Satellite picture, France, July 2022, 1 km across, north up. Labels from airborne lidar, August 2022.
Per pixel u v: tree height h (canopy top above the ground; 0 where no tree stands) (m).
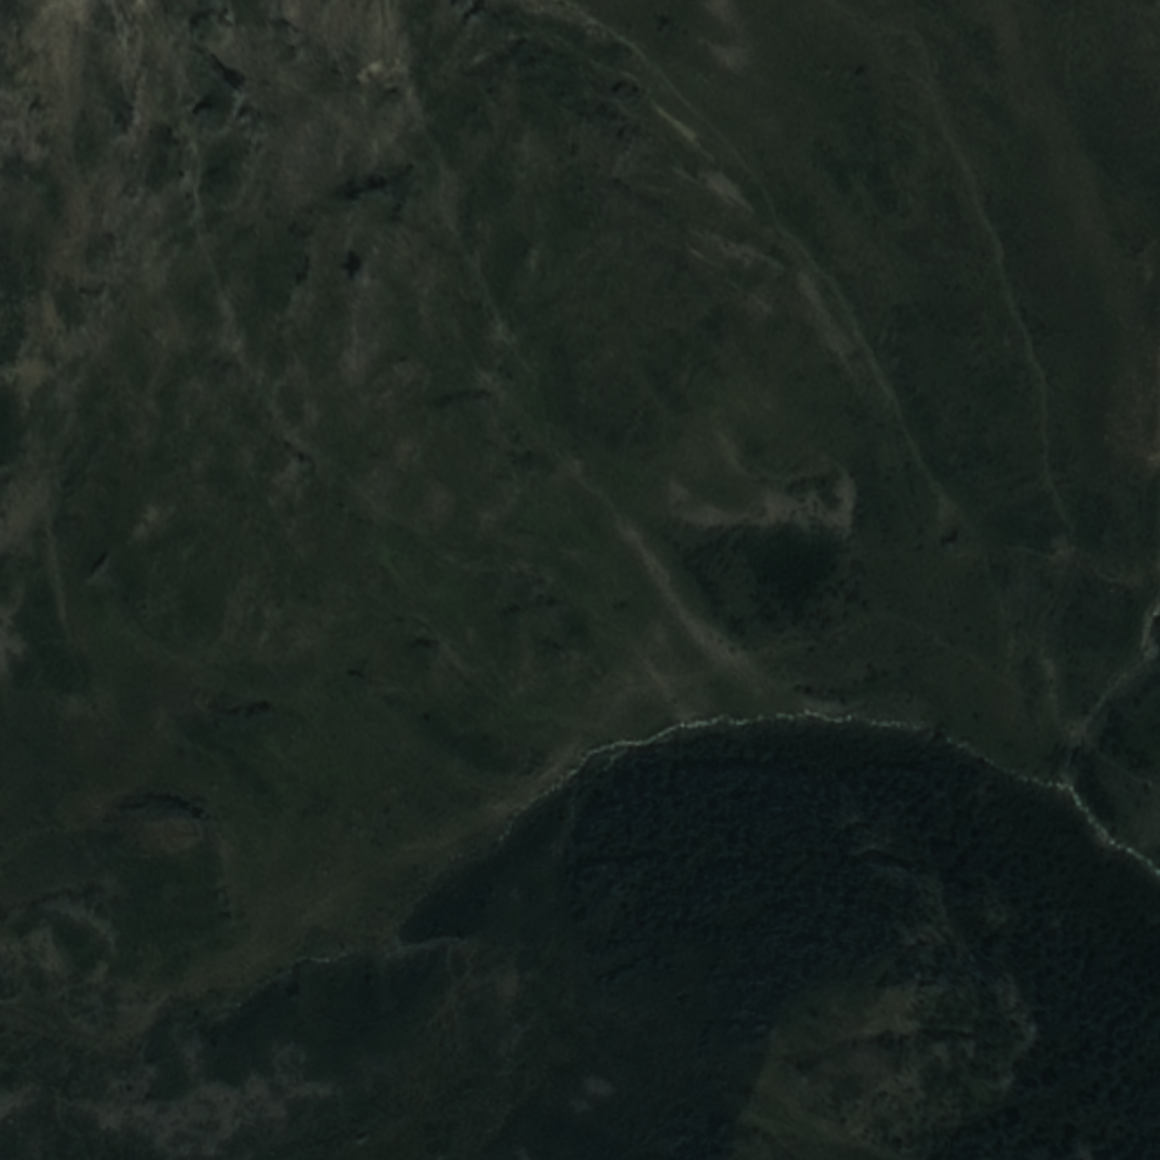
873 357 0
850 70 0
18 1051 0
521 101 0
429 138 0
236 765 0
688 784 7
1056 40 0
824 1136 0
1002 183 0
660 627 0
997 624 0
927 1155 7
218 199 0
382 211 0
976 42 0
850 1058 0
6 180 0
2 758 0
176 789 0
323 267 0
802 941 6
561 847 0
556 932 0
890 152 0
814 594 6
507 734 0
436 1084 0
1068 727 0
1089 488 0
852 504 0
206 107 7
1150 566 0
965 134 0
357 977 0
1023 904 9
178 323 0
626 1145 0
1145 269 0
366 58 0
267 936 0
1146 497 0
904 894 12
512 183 0
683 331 0
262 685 0
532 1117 0
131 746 0
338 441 0
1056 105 0
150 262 0
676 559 0
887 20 0
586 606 0
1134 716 0
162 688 0
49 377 0
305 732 0
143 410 0
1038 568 0
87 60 0
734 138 0
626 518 0
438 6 0
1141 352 0
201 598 0
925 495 0
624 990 0
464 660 0
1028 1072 13
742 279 0
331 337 0
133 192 0
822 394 0
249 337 0
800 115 0
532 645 0
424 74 0
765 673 0
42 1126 0
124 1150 0
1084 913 13
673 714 0
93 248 0
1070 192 0
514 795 0
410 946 0
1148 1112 17
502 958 0
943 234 0
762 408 0
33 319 0
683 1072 0
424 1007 0
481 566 0
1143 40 0
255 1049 0
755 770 26
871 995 0
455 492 0
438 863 0
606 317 0
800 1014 0
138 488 0
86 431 0
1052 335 0
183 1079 0
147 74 0
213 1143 0
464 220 0
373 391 0
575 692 0
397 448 0
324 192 0
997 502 0
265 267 0
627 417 0
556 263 0
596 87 0
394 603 0
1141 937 14
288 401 0
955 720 0
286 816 0
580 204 0
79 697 0
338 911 0
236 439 0
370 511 0
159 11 0
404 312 0
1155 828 0
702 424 0
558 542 0
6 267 0
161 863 0
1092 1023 11
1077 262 0
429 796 0
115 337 0
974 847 16
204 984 0
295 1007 0
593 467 0
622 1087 0
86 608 0
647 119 0
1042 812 10
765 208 0
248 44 0
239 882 0
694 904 9
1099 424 0
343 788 0
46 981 0
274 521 0
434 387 0
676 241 0
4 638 0
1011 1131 17
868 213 0
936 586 0
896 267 0
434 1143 0
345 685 0
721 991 0
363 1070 0
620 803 17
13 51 0
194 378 0
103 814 0
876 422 0
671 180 0
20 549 0
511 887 0
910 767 13
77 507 0
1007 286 0
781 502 0
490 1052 0
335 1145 0
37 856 0
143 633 0
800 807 17
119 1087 0
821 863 9
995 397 0
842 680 0
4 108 0
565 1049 0
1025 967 16
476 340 0
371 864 0
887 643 0
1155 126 0
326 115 0
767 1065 0
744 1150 0
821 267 0
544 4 0
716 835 8
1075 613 0
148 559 0
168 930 0
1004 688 0
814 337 0
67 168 0
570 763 0
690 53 0
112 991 0
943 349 0
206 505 0
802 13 0
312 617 0
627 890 6
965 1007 6
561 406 0
